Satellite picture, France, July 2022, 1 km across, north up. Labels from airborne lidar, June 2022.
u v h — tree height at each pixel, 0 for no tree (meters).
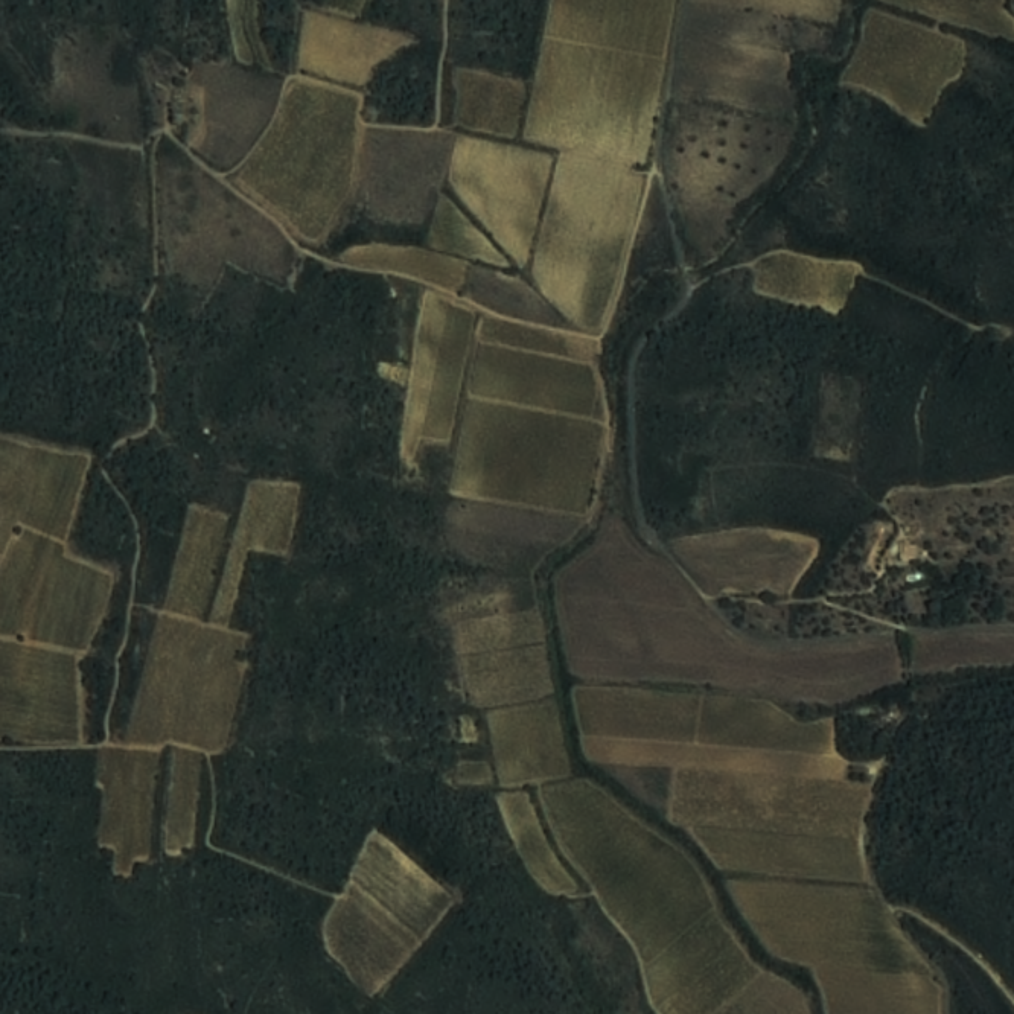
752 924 0
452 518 0
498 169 0
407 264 0
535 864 0
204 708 0
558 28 0
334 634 9
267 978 0
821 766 0
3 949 11
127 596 0
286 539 0
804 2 0
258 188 0
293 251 0
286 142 0
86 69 0
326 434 0
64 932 0
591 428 0
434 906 0
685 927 0
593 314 0
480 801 10
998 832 8
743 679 0
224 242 0
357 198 0
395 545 8
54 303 14
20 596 0
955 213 8
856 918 0
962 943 0
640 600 0
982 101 8
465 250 0
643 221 0
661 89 0
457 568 6
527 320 0
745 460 0
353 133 0
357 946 0
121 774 0
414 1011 0
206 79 0
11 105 8
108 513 6
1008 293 0
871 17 0
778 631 8
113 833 0
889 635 0
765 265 0
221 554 0
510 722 0
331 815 7
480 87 0
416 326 0
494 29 7
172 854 0
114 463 9
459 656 0
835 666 0
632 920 0
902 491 0
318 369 0
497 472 0
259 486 0
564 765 0
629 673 0
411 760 9
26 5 0
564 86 0
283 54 10
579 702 0
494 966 11
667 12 0
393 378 0
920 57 0
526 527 0
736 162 0
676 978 0
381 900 0
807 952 0
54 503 0
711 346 7
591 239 0
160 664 0
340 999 0
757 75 0
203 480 0
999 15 0
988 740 9
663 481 0
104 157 0
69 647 0
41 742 0
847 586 6
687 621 0
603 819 0
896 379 7
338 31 0
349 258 0
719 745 0
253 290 0
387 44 0
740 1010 0
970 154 6
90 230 7
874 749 10
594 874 0
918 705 9
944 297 7
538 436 0
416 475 0
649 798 0
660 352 8
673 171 0
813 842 0
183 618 0
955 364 10
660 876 0
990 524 8
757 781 0
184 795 0
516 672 0
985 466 0
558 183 0
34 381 6
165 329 8
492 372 0
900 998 0
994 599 13
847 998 0
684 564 0
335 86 0
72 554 0
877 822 14
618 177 0
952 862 9
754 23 0
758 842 0
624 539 0
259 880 11
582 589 0
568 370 0
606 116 0
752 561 0
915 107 0
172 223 0
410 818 7
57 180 0
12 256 12
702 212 0
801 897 0
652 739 0
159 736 0
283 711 0
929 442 0
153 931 0
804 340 13
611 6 0
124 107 0
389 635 6
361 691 10
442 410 0
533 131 0
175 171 0
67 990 9
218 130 0
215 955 0
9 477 0
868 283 9
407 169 0
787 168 6
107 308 9
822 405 0
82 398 8
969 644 0
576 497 0
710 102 0
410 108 11
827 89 11
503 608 0
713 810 0
